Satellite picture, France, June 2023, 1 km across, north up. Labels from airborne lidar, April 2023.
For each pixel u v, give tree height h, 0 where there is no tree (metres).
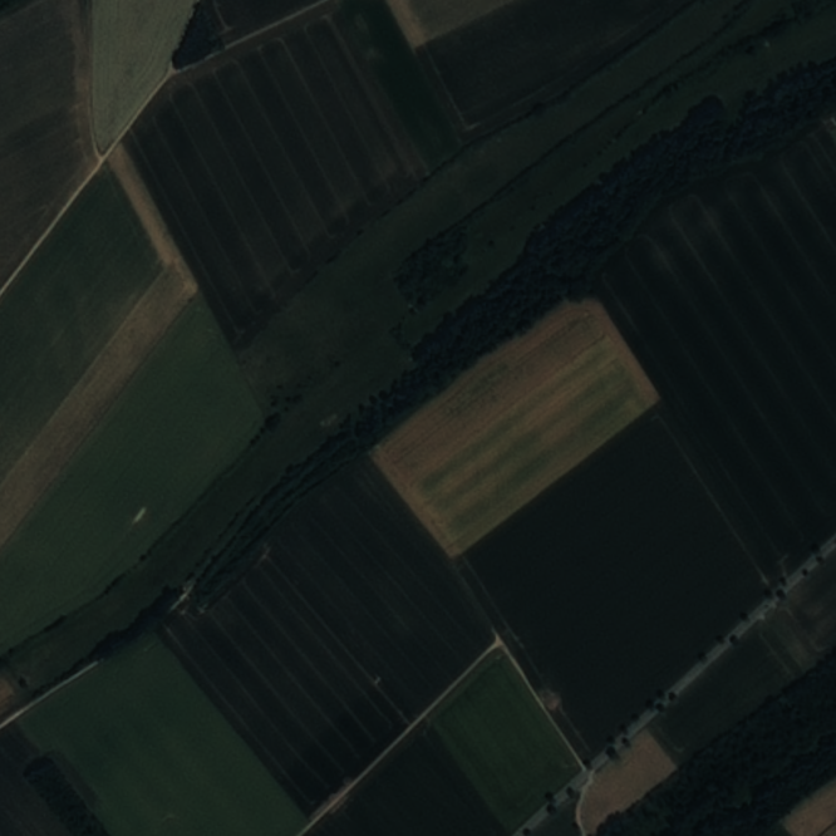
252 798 0
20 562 0
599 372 0
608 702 0
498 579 0
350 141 0
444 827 0
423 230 0
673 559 0
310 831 0
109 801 0
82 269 0
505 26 0
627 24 0
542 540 0
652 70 0
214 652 0
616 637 0
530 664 0
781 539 0
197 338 0
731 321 0
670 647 0
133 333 0
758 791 9
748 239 0
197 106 0
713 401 0
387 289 0
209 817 0
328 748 0
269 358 0
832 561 0
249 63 0
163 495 0
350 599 0
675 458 0
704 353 0
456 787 0
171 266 0
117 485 0
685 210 0
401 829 0
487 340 19
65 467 0
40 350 0
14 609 0
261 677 0
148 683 0
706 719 0
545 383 0
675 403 0
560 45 0
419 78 0
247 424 0
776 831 0
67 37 0
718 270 0
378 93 0
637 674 0
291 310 0
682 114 0
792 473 0
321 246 0
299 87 0
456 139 0
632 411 0
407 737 0
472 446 0
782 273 0
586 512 0
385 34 0
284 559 0
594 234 24
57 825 0
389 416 19
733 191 0
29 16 0
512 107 0
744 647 0
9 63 0
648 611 0
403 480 0
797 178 0
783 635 0
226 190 0
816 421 0
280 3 0
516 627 0
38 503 0
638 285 0
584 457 0
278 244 0
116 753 0
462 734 0
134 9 0
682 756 0
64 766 0
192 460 0
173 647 0
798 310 0
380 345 0
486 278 0
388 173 0
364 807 0
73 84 0
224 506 0
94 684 0
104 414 0
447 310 0
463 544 0
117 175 0
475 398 0
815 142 0
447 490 0
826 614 0
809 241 0
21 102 0
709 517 0
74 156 0
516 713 0
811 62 0
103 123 0
